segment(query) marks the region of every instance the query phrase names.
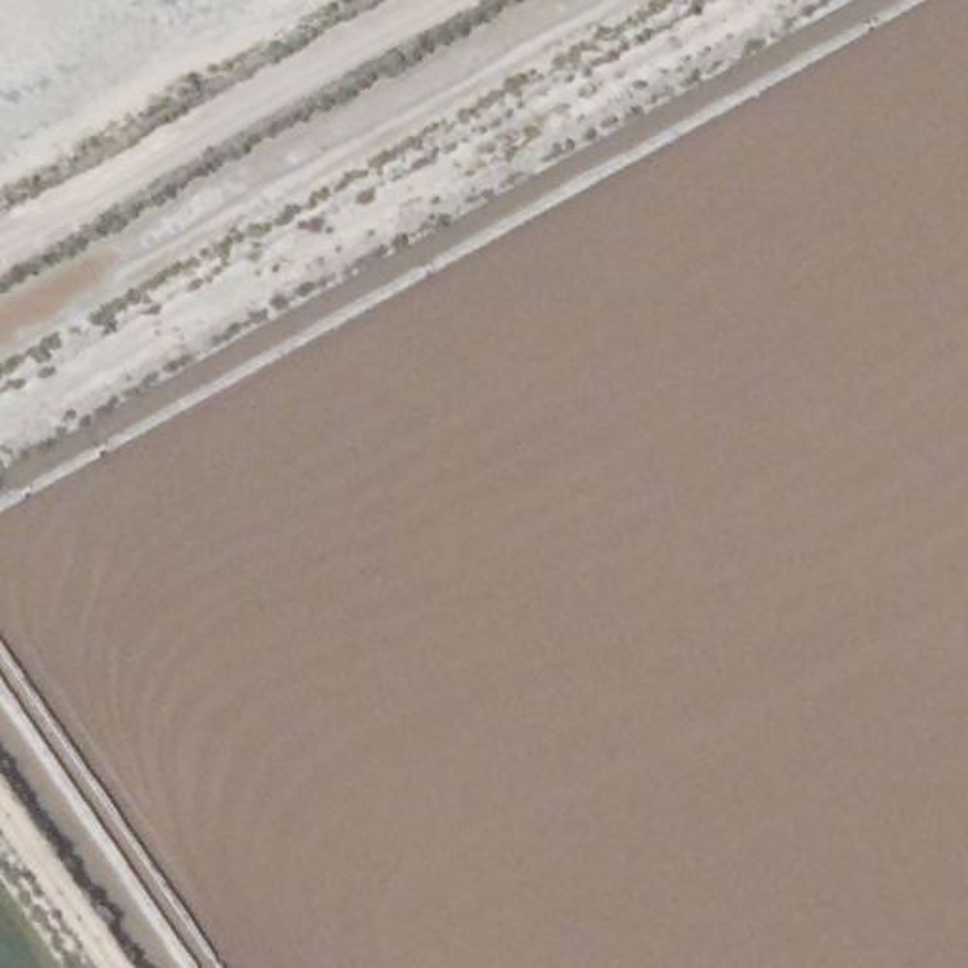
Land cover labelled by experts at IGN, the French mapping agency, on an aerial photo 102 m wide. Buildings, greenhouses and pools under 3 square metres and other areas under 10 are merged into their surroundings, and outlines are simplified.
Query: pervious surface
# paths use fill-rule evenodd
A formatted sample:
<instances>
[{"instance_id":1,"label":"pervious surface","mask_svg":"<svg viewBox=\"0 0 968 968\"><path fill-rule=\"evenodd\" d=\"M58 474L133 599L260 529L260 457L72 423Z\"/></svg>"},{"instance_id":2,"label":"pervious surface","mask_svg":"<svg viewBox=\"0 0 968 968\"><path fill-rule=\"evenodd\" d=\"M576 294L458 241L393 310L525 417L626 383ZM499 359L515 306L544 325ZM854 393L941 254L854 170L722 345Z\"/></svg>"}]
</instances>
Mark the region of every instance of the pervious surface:
<instances>
[{"instance_id":1,"label":"pervious surface","mask_svg":"<svg viewBox=\"0 0 968 968\"><path fill-rule=\"evenodd\" d=\"M49 711L42 707L42 700L23 681L19 666L0 643L0 711L19 734L30 760L49 779L49 787L61 794L83 836L106 858L121 896L151 926L155 942L163 945L174 968L223 968L200 938L200 930L193 926L193 919L185 915L185 908L166 889L166 881L155 873L144 847L117 817L106 790L83 768L68 737L57 730L57 722L49 718Z\"/></svg>"},{"instance_id":2,"label":"pervious surface","mask_svg":"<svg viewBox=\"0 0 968 968\"><path fill-rule=\"evenodd\" d=\"M764 95L768 87L805 72L809 64L839 53L843 45L908 15L926 0L896 0L877 15L809 45L787 64L749 79L745 87L707 102L703 110L658 129L635 147L609 155L597 166L567 178L563 185L541 193L537 200L488 223L484 231L454 242L431 261L386 280L382 287L344 303L340 310L242 359L219 378L140 416L110 439L98 439L95 446L64 458L34 480L0 492L0 514L23 503L26 495L38 495L61 484L64 476L87 469L102 454L113 454L125 442L170 424L174 416L212 401L242 378L272 367L276 359L306 348L310 340L340 329L344 321L374 310L378 303L408 291L412 284L442 272L446 265L484 250L514 227L605 182L609 174L654 155L658 147Z\"/></svg>"},{"instance_id":3,"label":"pervious surface","mask_svg":"<svg viewBox=\"0 0 968 968\"><path fill-rule=\"evenodd\" d=\"M76 889L45 836L34 828L26 809L0 779L0 851L11 862L38 873L38 908L64 911L64 923L79 934L83 957L95 968L132 968L110 938L106 923L98 919L98 911L91 908L91 900Z\"/></svg>"},{"instance_id":4,"label":"pervious surface","mask_svg":"<svg viewBox=\"0 0 968 968\"><path fill-rule=\"evenodd\" d=\"M310 11L325 8L329 0L0 0L0 189L8 182L34 174L38 166L49 166L61 155L72 155L72 147L83 136L102 132L110 121L125 121L129 113L147 110L147 102L155 102L182 76L227 61L250 45L295 34Z\"/></svg>"},{"instance_id":5,"label":"pervious surface","mask_svg":"<svg viewBox=\"0 0 968 968\"><path fill-rule=\"evenodd\" d=\"M303 53L257 72L227 95L200 102L174 125L151 132L132 151L121 151L102 166L57 189L45 189L42 197L0 216L0 276L11 265L76 234L83 223L95 223L102 212L136 197L170 170L197 163L208 147L227 144L257 121L337 83L363 61L374 61L386 49L420 38L424 30L476 8L480 0L386 0L382 8L333 26Z\"/></svg>"},{"instance_id":6,"label":"pervious surface","mask_svg":"<svg viewBox=\"0 0 968 968\"><path fill-rule=\"evenodd\" d=\"M488 106L473 121L461 121L461 106L473 106L507 76L548 68L556 53L567 53L575 42L586 42L594 26L620 23L647 0L526 0L518 8L507 8L499 19L476 26L469 38L435 49L424 64L408 68L405 76L378 79L355 102L265 140L246 159L227 163L219 174L204 178L197 189L182 193L166 208L144 212L125 231L87 246L83 253L0 295L0 359L19 355L19 348L34 348L42 337L61 340L61 348L53 352L53 378L38 378L38 363L23 363L11 374L0 374L0 465L15 461L23 446L49 439L53 431L76 431L91 408L106 405L117 389L132 389L147 371L159 382L170 378L166 359L189 352L200 337L212 337L227 321L268 306L272 295L284 295L303 280L340 280L355 257L389 242L393 234L420 238L420 223L427 216L461 216L484 200L488 189L503 189L507 178L537 174L560 163L567 151L579 151L586 144L586 132L616 132L631 106L654 110L669 102L684 91L692 68L700 68L700 79L711 79L745 53L749 38L775 42L787 30L802 30L847 8L851 0L718 0L703 8L703 15L684 19L677 30L666 30L647 45L628 49L613 64L601 64L601 91L590 98L579 95L582 76L556 87L529 83L522 95ZM386 163L382 170L371 163L371 155L420 132L427 121L450 121L454 132L439 132L435 144L454 140L458 151L439 155L439 163L427 170L416 170L416 151ZM276 216L284 204L299 204L299 212L284 231L265 234L261 261L246 261L250 242L238 242L231 257L204 257L204 246L219 242L227 227L261 223ZM113 333L91 321L98 306L125 295L159 265L182 257L193 257L197 268L151 291L159 314L125 310L117 314Z\"/></svg>"}]
</instances>

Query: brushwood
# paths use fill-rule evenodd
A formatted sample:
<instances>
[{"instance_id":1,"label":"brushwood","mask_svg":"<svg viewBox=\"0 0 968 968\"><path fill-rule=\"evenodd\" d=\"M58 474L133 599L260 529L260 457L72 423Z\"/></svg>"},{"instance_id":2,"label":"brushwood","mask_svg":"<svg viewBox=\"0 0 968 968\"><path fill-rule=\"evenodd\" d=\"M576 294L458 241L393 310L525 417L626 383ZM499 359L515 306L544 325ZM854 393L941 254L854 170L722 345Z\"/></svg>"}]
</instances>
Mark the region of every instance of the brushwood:
<instances>
[{"instance_id":1,"label":"brushwood","mask_svg":"<svg viewBox=\"0 0 968 968\"><path fill-rule=\"evenodd\" d=\"M382 170L386 163L416 151L416 170L427 170L439 163L439 155L458 151L454 140L435 144L439 132L454 132L450 121L427 121L420 132L371 155L371 163Z\"/></svg>"},{"instance_id":2,"label":"brushwood","mask_svg":"<svg viewBox=\"0 0 968 968\"><path fill-rule=\"evenodd\" d=\"M102 166L121 151L132 151L151 132L174 125L200 102L227 95L257 72L303 53L333 26L382 8L386 0L329 0L325 8L310 11L295 34L250 45L227 61L182 76L155 102L147 102L147 110L129 113L125 121L110 121L102 132L83 136L72 147L72 155L61 155L49 166L38 166L34 174L8 182L0 189L0 216L42 197L45 189L57 189Z\"/></svg>"},{"instance_id":3,"label":"brushwood","mask_svg":"<svg viewBox=\"0 0 968 968\"><path fill-rule=\"evenodd\" d=\"M340 280L303 280L284 295L272 295L268 306L227 321L212 337L200 337L189 352L204 359L242 340L257 325L272 321L276 314L303 306L306 299L321 295L321 287L333 287Z\"/></svg>"},{"instance_id":4,"label":"brushwood","mask_svg":"<svg viewBox=\"0 0 968 968\"><path fill-rule=\"evenodd\" d=\"M170 170L136 197L102 212L95 223L83 223L76 234L11 265L0 276L0 295L83 253L87 246L125 231L144 212L166 208L182 193L197 189L204 178L219 174L227 163L246 159L265 140L355 102L378 79L405 76L408 68L424 64L435 49L469 38L476 26L499 19L507 8L518 8L526 0L480 0L476 8L424 30L420 38L386 49L374 61L363 61L337 83L257 121L227 144L208 147L197 163Z\"/></svg>"},{"instance_id":5,"label":"brushwood","mask_svg":"<svg viewBox=\"0 0 968 968\"><path fill-rule=\"evenodd\" d=\"M19 348L19 355L0 359L0 374L11 374L23 363L38 363L38 378L53 378L53 352L61 348L61 340L42 337L34 348Z\"/></svg>"},{"instance_id":6,"label":"brushwood","mask_svg":"<svg viewBox=\"0 0 968 968\"><path fill-rule=\"evenodd\" d=\"M556 87L582 76L579 95L590 98L601 91L601 64L613 64L628 49L647 45L666 30L677 30L684 19L703 15L703 8L718 0L647 0L620 23L594 26L586 42L575 42L567 53L556 53L548 68L507 76L473 106L461 106L461 121L473 121L488 106L522 95L529 83Z\"/></svg>"},{"instance_id":7,"label":"brushwood","mask_svg":"<svg viewBox=\"0 0 968 968\"><path fill-rule=\"evenodd\" d=\"M15 908L23 911L23 919L30 923L30 930L38 934L57 968L95 968L83 957L79 934L64 923L64 911L38 908L38 873L11 862L0 851L0 885L15 900Z\"/></svg>"},{"instance_id":8,"label":"brushwood","mask_svg":"<svg viewBox=\"0 0 968 968\"><path fill-rule=\"evenodd\" d=\"M261 261L265 234L284 231L299 212L299 204L284 204L276 216L261 223L227 227L219 242L204 246L204 257L231 257L238 242L250 242L246 261Z\"/></svg>"},{"instance_id":9,"label":"brushwood","mask_svg":"<svg viewBox=\"0 0 968 968\"><path fill-rule=\"evenodd\" d=\"M125 295L98 306L91 321L113 333L117 314L125 310L159 314L151 291L197 268L193 257L182 257L159 265Z\"/></svg>"},{"instance_id":10,"label":"brushwood","mask_svg":"<svg viewBox=\"0 0 968 968\"><path fill-rule=\"evenodd\" d=\"M91 900L91 908L98 911L98 919L106 923L110 938L132 968L159 968L151 953L140 945L140 938L129 930L125 904L87 870L83 851L49 813L19 756L0 737L0 779L26 809L34 828L45 836L76 889Z\"/></svg>"}]
</instances>

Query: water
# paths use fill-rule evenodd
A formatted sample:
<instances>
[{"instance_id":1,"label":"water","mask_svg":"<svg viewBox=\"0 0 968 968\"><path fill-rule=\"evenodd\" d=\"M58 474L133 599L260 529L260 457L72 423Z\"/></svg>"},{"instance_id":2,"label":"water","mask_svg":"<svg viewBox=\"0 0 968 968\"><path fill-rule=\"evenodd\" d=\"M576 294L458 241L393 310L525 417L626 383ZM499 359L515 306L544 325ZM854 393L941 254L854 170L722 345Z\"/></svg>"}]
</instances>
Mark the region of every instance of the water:
<instances>
[{"instance_id":1,"label":"water","mask_svg":"<svg viewBox=\"0 0 968 968\"><path fill-rule=\"evenodd\" d=\"M83 851L87 870L125 904L129 930L140 938L140 945L151 953L159 968L174 968L163 945L155 942L151 926L121 896L106 858L83 836L61 794L49 787L49 779L30 760L19 734L0 711L0 737L19 756L49 813Z\"/></svg>"},{"instance_id":2,"label":"water","mask_svg":"<svg viewBox=\"0 0 968 968\"><path fill-rule=\"evenodd\" d=\"M30 923L23 919L23 911L15 908L15 900L0 885L0 968L57 968L38 934L30 930Z\"/></svg>"},{"instance_id":3,"label":"water","mask_svg":"<svg viewBox=\"0 0 968 968\"><path fill-rule=\"evenodd\" d=\"M839 53L809 64L805 72L768 87L764 95L658 147L654 155L609 174L605 182L514 227L484 250L446 265L442 272L412 284L408 291L378 303L374 310L344 321L340 329L310 340L306 348L276 359L272 367L242 378L212 401L174 416L170 424L125 442L113 454L102 454L87 469L64 476L61 484L38 495L26 495L23 503L0 514L0 643L19 666L23 681L42 700L42 707L49 711L49 718L57 722L57 730L68 737L83 768L106 790L117 817L144 847L155 873L166 881L166 889L185 908L185 915L193 919L193 926L200 930L200 938L223 968L968 968L968 0L926 0L908 15L843 45Z\"/></svg>"},{"instance_id":4,"label":"water","mask_svg":"<svg viewBox=\"0 0 968 968\"><path fill-rule=\"evenodd\" d=\"M306 299L303 306L276 314L272 321L257 325L242 340L204 359L189 352L166 359L170 378L159 382L147 371L132 389L117 389L106 405L91 408L76 431L53 431L49 439L23 446L15 461L0 465L0 492L34 480L64 458L95 446L98 439L110 439L140 416L219 378L242 359L340 310L344 303L382 287L386 280L431 261L454 242L484 231L488 223L537 200L541 193L563 185L567 178L597 166L609 155L635 147L658 129L703 110L707 102L745 87L749 79L787 64L809 45L877 15L896 0L851 0L847 8L802 30L787 30L775 42L749 38L745 53L711 79L700 79L700 68L692 68L684 91L669 102L654 110L631 106L616 132L586 132L586 144L579 151L567 151L560 163L537 174L507 178L503 189L488 189L484 200L461 216L427 216L420 223L420 238L393 234L389 242L355 257L340 280L333 287L321 287L321 295Z\"/></svg>"}]
</instances>

